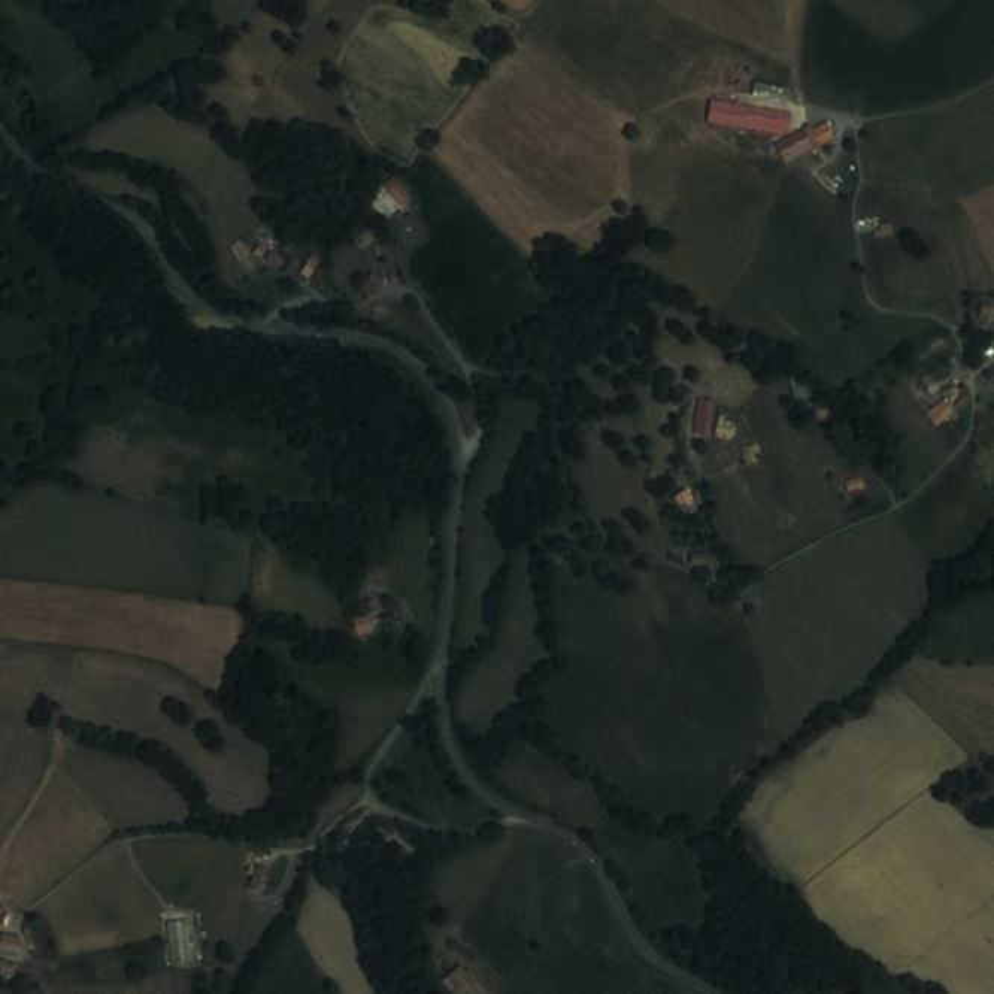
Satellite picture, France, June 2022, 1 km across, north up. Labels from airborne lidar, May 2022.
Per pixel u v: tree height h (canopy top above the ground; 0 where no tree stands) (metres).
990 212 0
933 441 0
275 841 19
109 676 0
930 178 0
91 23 26
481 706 0
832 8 0
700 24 0
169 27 0
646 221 6
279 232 18
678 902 0
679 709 0
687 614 0
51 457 13
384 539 20
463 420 0
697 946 26
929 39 0
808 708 0
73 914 0
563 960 0
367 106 0
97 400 11
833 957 29
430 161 0
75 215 26
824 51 0
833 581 0
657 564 0
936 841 0
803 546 0
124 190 0
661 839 12
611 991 0
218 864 0
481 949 0
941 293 0
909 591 0
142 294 20
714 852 20
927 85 0
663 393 13
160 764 24
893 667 18
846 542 0
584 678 0
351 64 0
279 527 19
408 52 0
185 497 0
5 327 0
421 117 0
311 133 15
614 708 0
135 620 0
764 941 23
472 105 0
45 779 0
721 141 0
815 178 0
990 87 0
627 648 0
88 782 0
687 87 0
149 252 31
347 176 10
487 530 0
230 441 0
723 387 0
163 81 19
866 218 0
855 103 0
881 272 0
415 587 0
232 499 12
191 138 0
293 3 25
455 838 15
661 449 0
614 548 16
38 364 12
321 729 8
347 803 0
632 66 0
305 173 18
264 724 26
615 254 14
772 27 0
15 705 0
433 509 12
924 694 0
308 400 22
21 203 16
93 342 20
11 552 0
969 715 0
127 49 15
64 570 0
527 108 0
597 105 0
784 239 0
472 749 13
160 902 0
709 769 0
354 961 0
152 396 7
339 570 13
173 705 18
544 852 0
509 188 0
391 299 0
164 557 0
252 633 8
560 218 0
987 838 0
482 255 0
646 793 0
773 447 0
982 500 0
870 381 0
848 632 0
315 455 13
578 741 0
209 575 0
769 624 0
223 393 18
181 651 0
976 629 0
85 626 0
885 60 0
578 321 23
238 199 0
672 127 0
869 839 0
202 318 0
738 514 0
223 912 0
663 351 0
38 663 0
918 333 0
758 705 0
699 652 0
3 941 0
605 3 0
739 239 0
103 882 0
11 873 0
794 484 0
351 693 0
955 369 0
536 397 15
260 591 0
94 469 0
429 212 0
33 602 0
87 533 0
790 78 0
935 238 0
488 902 0
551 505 15
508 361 15
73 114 0
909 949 0
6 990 17
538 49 0
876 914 0
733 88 0
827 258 0
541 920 0
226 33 10
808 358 0
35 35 0
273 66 0
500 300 0
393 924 25
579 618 0
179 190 18
